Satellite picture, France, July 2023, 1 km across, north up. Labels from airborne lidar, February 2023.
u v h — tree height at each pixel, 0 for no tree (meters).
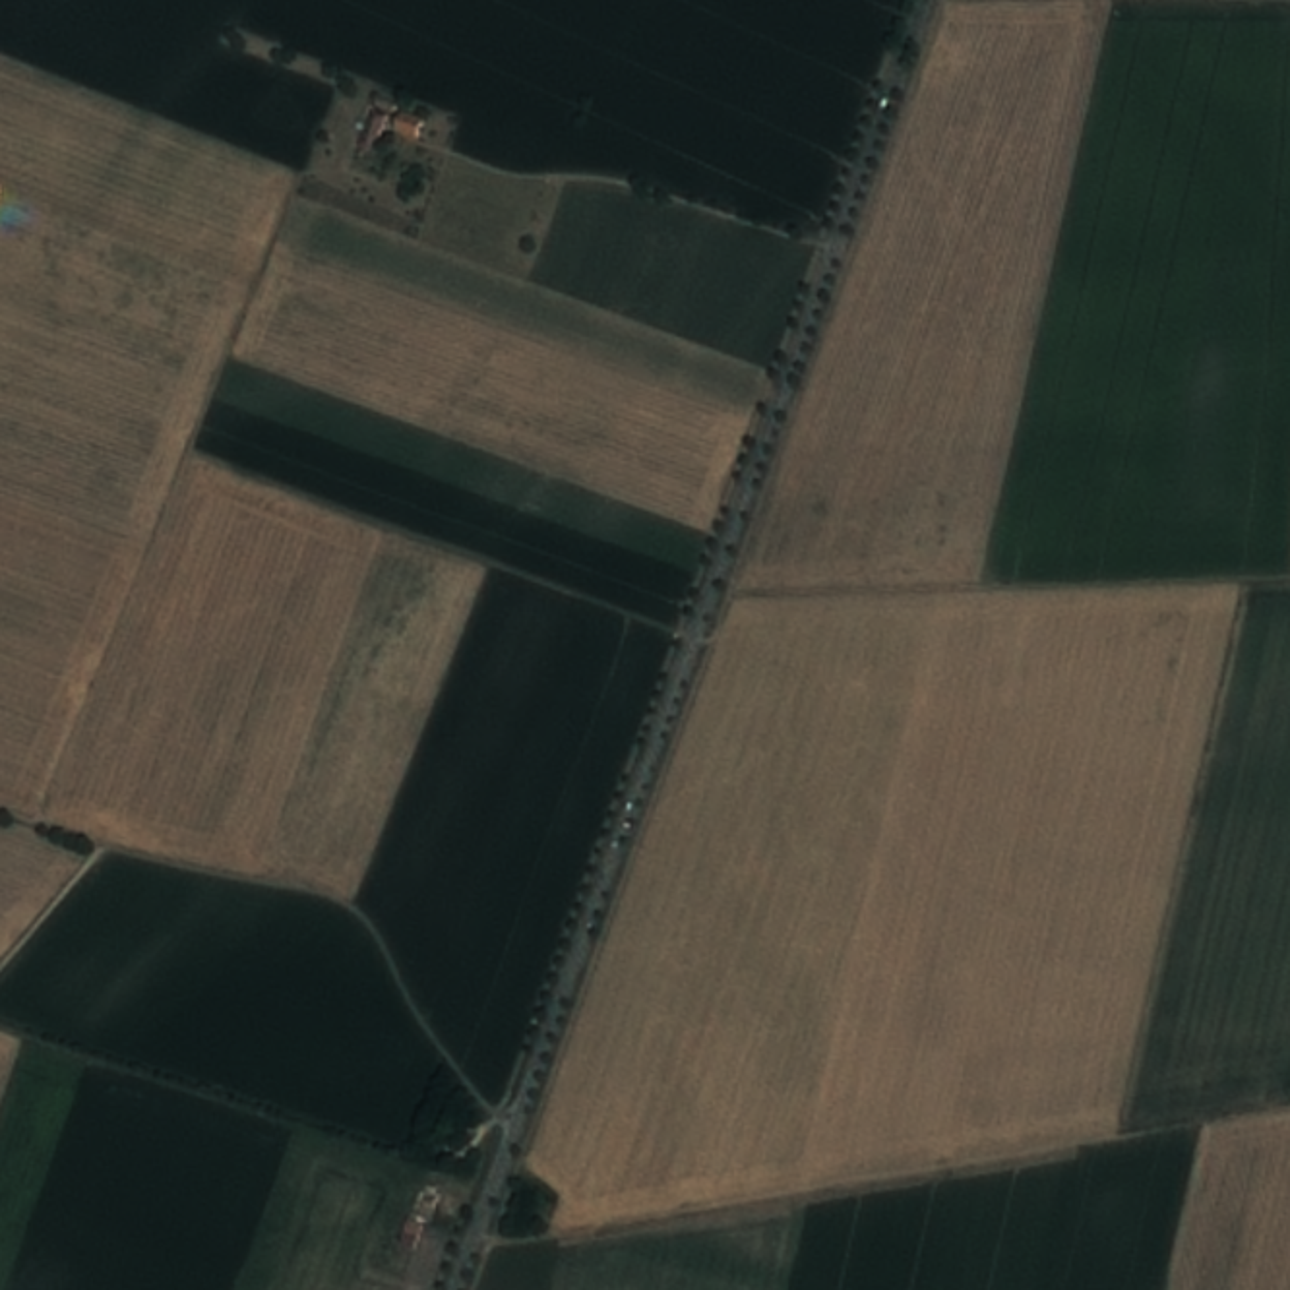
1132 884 0
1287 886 0
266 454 0
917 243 0
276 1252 0
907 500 0
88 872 0
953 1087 0
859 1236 0
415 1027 0
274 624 0
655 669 0
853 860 0
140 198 0
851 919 0
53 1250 0
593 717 0
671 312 0
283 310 0
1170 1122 0
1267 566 0
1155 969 0
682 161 0
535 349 0
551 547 0
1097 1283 0
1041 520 0
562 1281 0
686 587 0
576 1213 0
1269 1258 0
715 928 0
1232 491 0
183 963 0
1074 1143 0
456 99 0
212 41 0
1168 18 0
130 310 0
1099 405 0
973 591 0
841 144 0
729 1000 0
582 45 0
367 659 0
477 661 0
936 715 0
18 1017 0
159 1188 0
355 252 0
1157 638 0
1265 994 0
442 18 0
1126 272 0
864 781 0
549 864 0
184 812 0
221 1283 0
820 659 0
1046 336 0
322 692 0
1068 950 0
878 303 0
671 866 0
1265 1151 0
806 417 0
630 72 0
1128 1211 0
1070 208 0
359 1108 0
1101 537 0
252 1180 0
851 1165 0
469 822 0
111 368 0
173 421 0
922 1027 0
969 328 0
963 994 0
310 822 0
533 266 0
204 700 0
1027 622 0
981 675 0
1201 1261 0
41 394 0
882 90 10
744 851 0
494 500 0
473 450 0
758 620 0
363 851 0
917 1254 0
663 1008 0
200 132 0
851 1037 0
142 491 0
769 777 0
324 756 0
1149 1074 0
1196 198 0
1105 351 0
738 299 0
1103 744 0
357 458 0
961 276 0
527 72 0
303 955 0
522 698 0
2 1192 0
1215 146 0
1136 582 0
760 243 0
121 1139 0
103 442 0
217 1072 0
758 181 0
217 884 0
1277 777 0
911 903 0
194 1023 0
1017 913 0
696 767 0
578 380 0
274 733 0
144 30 0
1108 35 0
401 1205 0
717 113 0
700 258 0
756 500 0
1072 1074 0
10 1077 0
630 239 0
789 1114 0
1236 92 0
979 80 0
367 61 0
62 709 0
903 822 0
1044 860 0
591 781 0
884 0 0
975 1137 0
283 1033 0
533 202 0
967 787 0
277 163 0
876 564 0
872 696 0
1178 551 0
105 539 0
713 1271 0
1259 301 0
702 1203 0
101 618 0
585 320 0
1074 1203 0
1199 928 0
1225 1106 0
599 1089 0
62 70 0
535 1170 0
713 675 0
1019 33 0
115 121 0
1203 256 0
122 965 0
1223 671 0
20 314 0
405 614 0
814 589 0
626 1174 0
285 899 0
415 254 0
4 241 0
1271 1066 0
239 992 0
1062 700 0
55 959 0
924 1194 0
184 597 0
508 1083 0
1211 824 0
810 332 8
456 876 0
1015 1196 0
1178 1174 0
